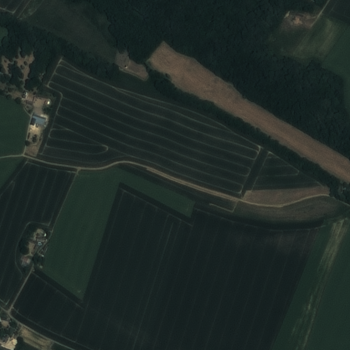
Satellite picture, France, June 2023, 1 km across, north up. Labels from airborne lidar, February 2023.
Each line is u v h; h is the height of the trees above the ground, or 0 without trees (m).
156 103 0
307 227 0
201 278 0
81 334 0
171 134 0
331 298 0
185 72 0
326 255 0
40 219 0
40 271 0
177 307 0
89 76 0
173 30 25
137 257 0
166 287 0
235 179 0
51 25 0
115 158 0
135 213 0
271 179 0
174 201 0
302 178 0
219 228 0
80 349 0
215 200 0
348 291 0
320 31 0
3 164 0
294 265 0
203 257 0
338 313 0
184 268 0
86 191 0
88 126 0
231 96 0
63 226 0
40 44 27
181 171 0
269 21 23
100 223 0
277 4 14
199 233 0
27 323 0
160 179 0
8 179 0
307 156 0
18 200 0
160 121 0
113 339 0
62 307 0
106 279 0
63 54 20
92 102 0
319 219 0
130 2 20
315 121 25
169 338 0
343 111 17
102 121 0
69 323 0
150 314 0
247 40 23
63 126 0
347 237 0
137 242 0
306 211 0
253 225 0
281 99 24
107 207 0
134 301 0
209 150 0
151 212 0
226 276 0
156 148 0
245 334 0
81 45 0
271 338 0
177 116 0
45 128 0
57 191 0
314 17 0
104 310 0
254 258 0
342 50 0
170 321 0
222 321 0
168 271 0
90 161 0
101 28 0
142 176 0
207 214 0
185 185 0
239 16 24
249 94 22
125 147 0
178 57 0
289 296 0
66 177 0
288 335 0
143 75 0
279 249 0
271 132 0
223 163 0
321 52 0
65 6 0
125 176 0
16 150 0
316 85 21
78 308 0
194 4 23
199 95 0
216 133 0
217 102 0
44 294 0
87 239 0
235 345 0
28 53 28
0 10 0
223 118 20
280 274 0
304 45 0
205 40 20
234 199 0
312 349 0
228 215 0
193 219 0
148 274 0
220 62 23
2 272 0
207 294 0
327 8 0
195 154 0
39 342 0
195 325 0
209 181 0
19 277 0
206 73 0
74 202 0
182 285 0
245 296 0
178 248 0
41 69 23
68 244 0
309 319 0
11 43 17
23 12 0
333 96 19
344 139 25
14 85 21
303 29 0
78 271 0
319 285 0
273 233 0
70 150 0
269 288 0
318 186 0
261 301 0
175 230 0
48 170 0
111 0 22
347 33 0
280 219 0
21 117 0
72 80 0
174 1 21
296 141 0
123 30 25
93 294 0
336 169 0
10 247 0
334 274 0
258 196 0
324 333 0
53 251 0
